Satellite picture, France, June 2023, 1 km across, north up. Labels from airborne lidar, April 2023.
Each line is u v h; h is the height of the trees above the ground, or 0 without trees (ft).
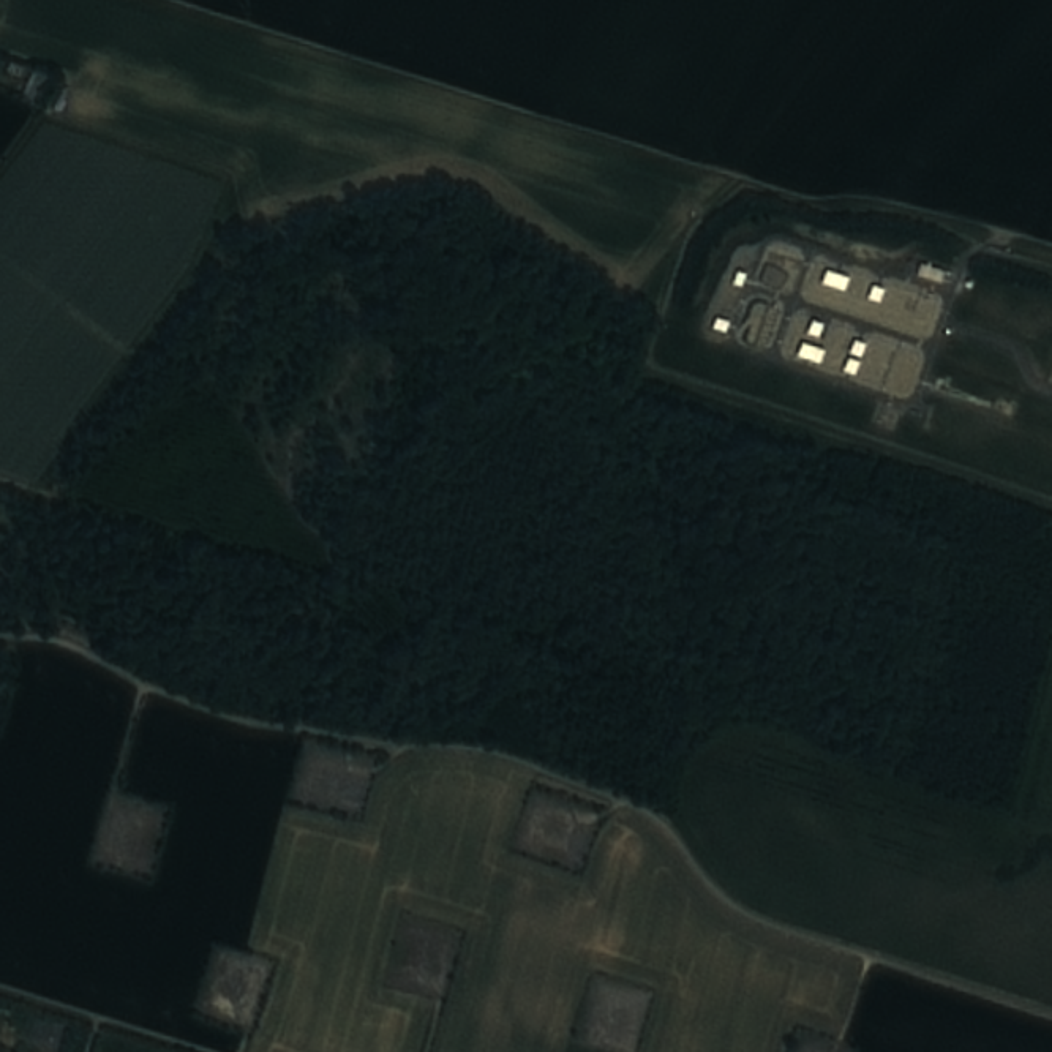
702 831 0
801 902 0
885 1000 0
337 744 22
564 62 0
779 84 0
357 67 0
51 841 0
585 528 75
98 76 0
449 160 0
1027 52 0
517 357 62
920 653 72
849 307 0
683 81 0
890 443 0
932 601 61
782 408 0
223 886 0
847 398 0
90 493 0
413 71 0
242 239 67
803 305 0
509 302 84
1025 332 0
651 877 0
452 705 79
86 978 0
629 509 79
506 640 69
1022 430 0
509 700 46
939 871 0
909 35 0
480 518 50
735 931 0
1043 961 0
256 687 64
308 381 89
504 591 45
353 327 71
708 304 0
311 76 0
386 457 60
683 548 81
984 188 0
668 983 0
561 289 87
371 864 0
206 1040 0
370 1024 0
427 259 79
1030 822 0
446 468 61
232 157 0
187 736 0
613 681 42
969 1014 0
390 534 41
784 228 0
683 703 77
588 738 55
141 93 0
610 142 0
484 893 0
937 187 0
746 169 0
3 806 0
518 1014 0
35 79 0
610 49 0
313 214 68
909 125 0
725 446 87
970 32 0
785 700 66
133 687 0
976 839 0
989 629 44
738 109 0
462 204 60
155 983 0
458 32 0
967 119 0
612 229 0
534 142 0
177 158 0
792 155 0
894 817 0
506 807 0
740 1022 0
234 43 0
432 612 70
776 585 76
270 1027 0
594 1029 0
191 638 77
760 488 77
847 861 0
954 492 35
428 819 0
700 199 0
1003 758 35
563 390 60
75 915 0
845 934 0
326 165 0
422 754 0
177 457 0
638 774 54
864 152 0
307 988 0
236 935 0
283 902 0
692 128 0
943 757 47
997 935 0
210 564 69
